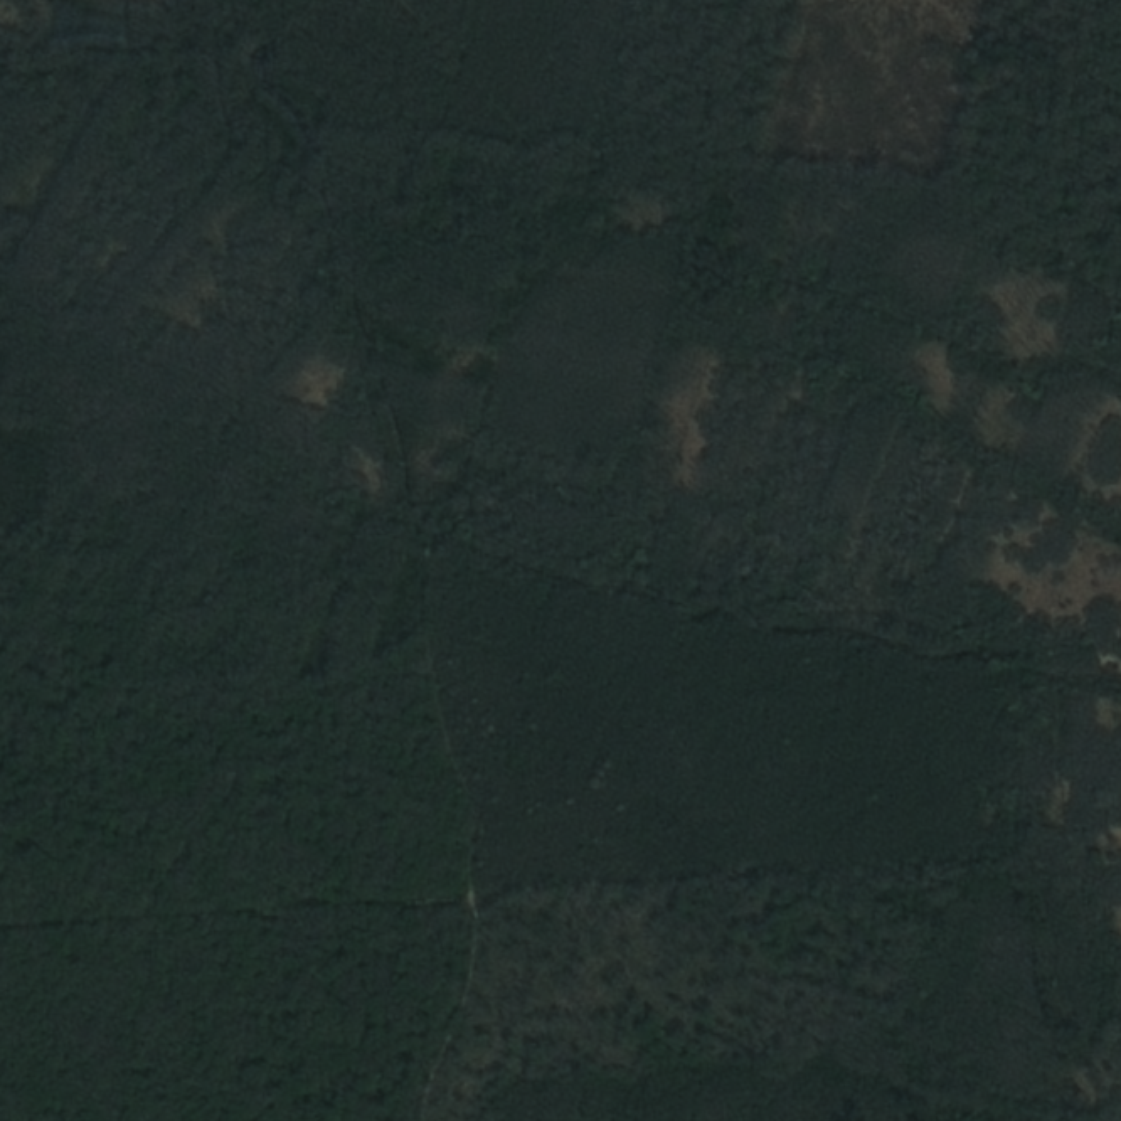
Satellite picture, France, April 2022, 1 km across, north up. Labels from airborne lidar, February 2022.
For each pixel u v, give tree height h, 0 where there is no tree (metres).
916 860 17
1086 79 23
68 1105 25
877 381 15
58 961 24
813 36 0
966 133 24
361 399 12
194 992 26
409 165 25
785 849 19
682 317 18
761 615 21
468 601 16
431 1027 24
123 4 14
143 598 23
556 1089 24
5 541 23
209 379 21
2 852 27
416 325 23
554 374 16
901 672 15
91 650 23
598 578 24
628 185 23
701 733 20
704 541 13
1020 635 16
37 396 24
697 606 14
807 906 29
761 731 18
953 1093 25
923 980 22
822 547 7
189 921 19
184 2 26
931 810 20
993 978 22
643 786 19
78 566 26
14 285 23
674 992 26
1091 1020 18
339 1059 25
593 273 19
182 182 24
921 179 19
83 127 7
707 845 20
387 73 20
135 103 22
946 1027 20
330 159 23
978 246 13
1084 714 7
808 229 17
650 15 22
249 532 17
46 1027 23
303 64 21
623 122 24
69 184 24
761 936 28
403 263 26
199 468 20
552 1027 29
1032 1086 17
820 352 7
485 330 21
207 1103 23
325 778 22
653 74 25
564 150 27
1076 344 17
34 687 25
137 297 23
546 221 16
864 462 23
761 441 17
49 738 30
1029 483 13
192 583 30
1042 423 18
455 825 22
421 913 20
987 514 6
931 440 19
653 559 17
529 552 17
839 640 17
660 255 23
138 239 7
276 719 23
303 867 23
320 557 22
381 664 28
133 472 25
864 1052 28
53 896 24
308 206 27
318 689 25
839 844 19
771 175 21
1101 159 26
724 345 19
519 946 25
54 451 25
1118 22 25
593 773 15
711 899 25
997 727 13
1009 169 29
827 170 25
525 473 16
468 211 31
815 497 7
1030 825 16
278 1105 28
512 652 17
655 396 16
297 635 30
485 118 13
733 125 27
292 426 24
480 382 21
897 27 0
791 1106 14
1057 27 20
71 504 27
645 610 15
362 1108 27
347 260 21
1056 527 5
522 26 13
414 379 24
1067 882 22
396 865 25
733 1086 16
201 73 25
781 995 26
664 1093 16
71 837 29
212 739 27
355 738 26
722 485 19
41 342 26
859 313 16
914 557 21
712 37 21
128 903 24
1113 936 13
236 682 30
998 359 9
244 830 25
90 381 25
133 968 23
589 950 28
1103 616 5
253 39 21
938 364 0
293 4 20
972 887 15
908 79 0
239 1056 24
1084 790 7
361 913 22
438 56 20
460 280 25
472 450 14
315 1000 26
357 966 25
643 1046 22
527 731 17
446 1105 25
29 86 18
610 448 15
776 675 15
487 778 13
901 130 0
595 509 16
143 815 28
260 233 5
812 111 0
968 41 0
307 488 19
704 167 25
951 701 16
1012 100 28
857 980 27
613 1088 18
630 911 22
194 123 25
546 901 28
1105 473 6
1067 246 27
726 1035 24
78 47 22
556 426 17
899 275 18
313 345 22
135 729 28
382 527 18
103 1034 22
